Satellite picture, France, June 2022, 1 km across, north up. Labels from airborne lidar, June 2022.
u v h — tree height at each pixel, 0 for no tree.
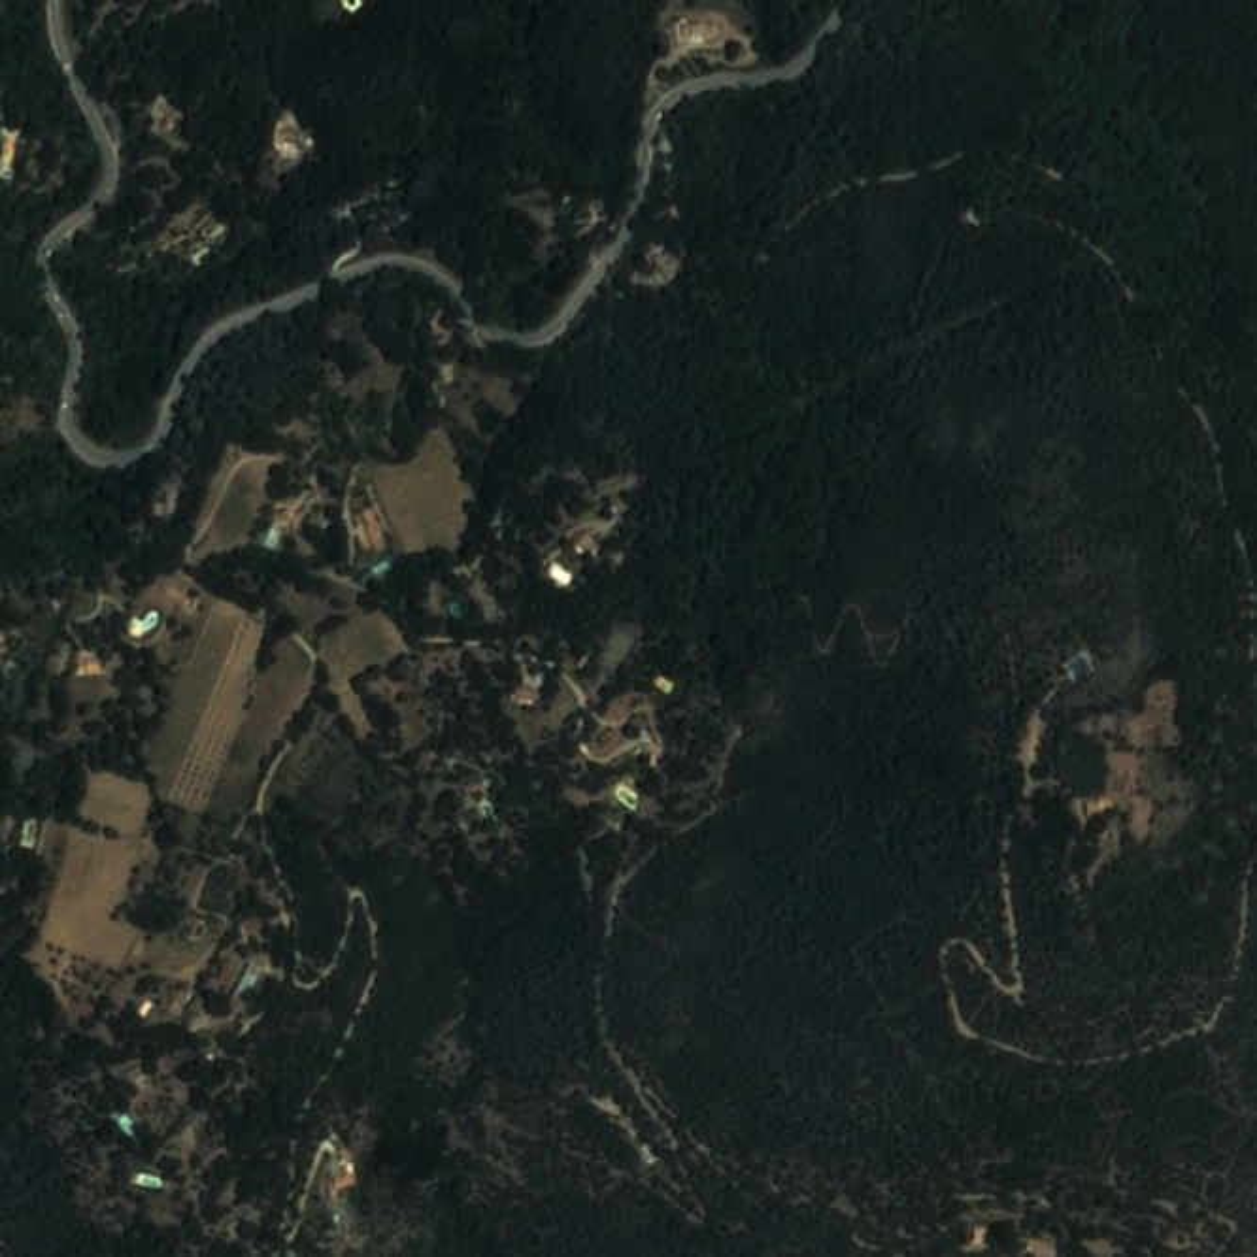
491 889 8
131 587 10
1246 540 8
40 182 6
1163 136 8
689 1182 7
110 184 0
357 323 0
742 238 13
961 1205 13
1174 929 8
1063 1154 10
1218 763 15
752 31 12
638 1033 10
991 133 8
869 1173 8
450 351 14
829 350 14
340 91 16
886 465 9
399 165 6
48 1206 6
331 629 12
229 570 9
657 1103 6
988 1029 8
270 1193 12
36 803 14
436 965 7
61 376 9
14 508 7
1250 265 9
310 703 8
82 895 0
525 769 8
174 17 13
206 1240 10
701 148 16
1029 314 10
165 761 0
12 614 12
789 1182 8
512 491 10
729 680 14
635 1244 9
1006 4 14
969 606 14
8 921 7
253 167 9
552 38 17
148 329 11
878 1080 8
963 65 8
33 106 9
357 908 6
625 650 0
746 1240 12
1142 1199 10
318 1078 9
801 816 8
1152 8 12
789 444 8
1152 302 11
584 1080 9
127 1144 11
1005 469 6
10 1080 11
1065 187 13
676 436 9
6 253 15
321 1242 9
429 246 12
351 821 6
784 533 8
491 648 7
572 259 10
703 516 13
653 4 11
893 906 6
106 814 0
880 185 7
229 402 9
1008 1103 12
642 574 7
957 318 8
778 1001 6
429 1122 6
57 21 0
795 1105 12
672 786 7
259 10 16
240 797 0
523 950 9
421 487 0
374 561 0
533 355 13
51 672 8
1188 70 8
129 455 0
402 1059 10
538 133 10
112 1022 7
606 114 7
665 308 10
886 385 13
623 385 13
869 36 12
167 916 6
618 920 5
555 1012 11
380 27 13
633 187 10
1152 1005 11
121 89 11
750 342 7
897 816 7
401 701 7
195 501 12
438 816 7
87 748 16
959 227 13
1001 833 11
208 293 16
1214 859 16
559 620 7
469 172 18
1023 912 7
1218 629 12
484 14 19
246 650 0
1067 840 10
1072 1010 9
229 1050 9
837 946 7
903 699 9
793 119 17
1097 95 11
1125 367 7
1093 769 12
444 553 17
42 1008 14
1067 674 12
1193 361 12
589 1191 6
